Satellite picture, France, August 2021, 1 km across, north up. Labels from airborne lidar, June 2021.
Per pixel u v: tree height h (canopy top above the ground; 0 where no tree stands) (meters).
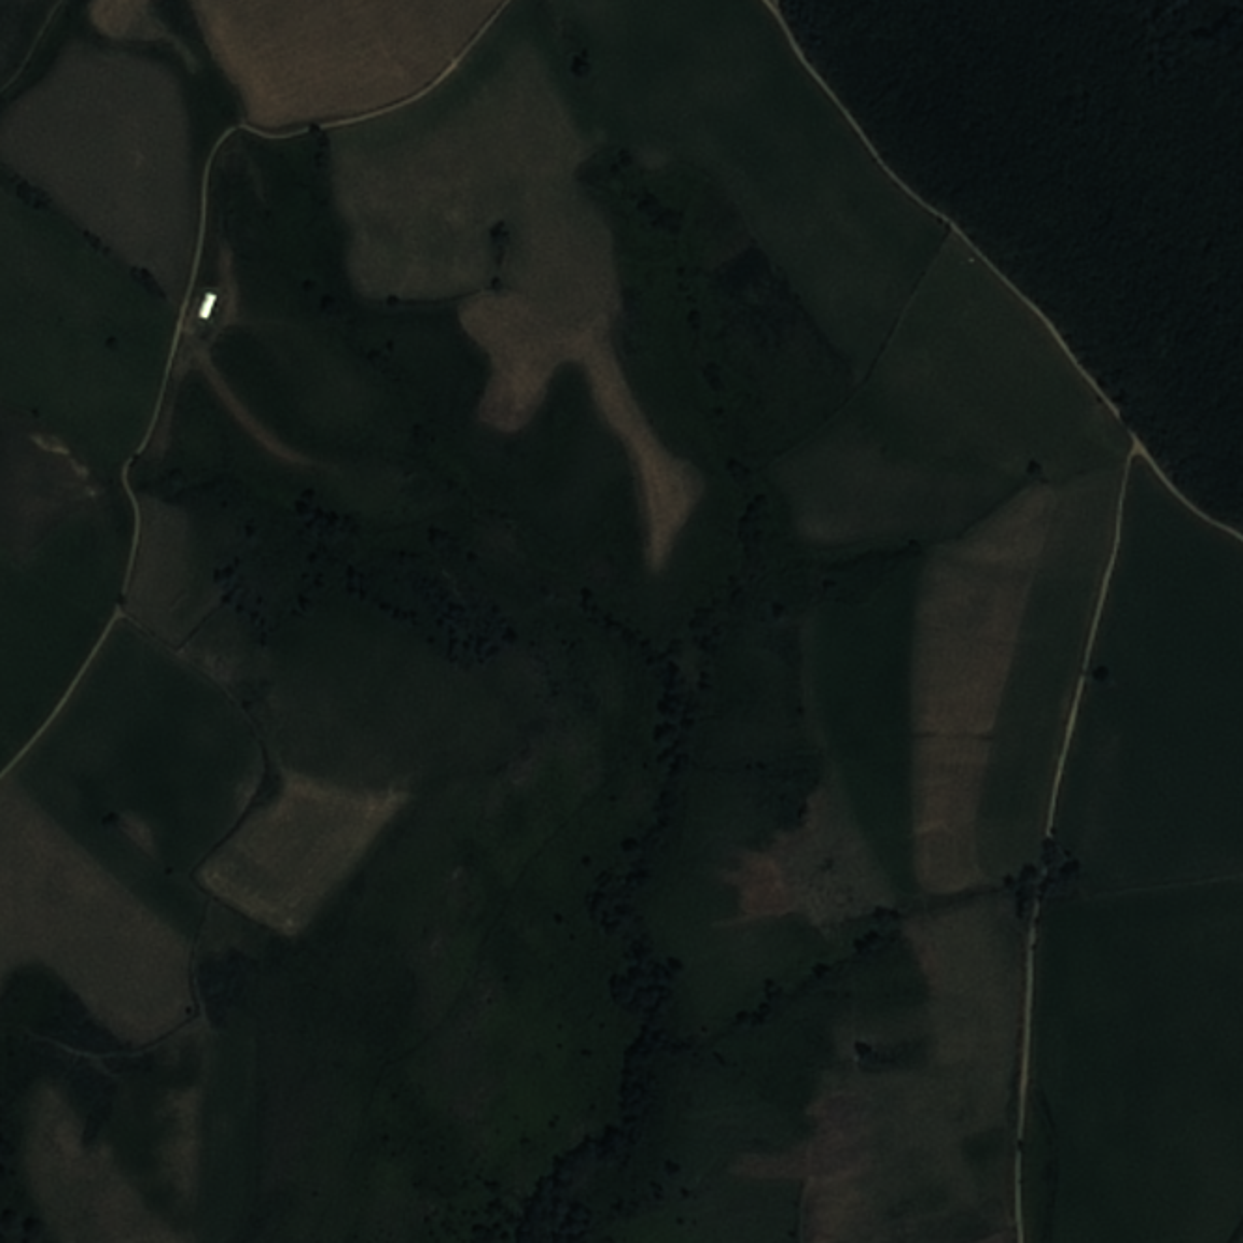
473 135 0
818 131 0
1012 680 0
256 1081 0
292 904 0
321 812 0
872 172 0
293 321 0
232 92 0
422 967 0
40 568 0
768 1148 0
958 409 0
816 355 0
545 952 0
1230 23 21
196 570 0
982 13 21
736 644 0
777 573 0
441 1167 6
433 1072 0
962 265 0
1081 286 21
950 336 0
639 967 7
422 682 0
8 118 0
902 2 22
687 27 0
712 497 0
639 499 0
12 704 0
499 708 0
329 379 0
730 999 0
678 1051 8
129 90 0
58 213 0
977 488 0
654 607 0
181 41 0
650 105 0
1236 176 21
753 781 0
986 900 0
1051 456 0
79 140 0
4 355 0
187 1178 0
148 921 0
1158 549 0
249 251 0
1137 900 0
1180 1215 0
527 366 0
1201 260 21
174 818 0
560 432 0
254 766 0
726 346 0
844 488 0
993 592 0
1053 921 0
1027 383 0
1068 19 25
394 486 0
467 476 0
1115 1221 0
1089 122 23
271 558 0
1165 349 22
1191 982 0
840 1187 0
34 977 0
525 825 0
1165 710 0
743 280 0
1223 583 0
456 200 0
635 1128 6
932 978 0
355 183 0
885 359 0
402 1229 0
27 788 0
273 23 0
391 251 0
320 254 0
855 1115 0
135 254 0
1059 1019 0
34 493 0
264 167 0
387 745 0
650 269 0
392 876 0
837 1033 0
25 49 0
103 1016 0
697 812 0
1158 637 0
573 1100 0
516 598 0
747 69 0
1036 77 24
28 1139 0
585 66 15
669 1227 0
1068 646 0
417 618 8
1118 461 0
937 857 0
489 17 0
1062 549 0
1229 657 0
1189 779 0
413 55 0
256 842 0
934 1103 0
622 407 0
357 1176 0
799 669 0
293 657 0
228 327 0
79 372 0
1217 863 0
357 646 0
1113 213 18
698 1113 0
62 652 0
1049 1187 0
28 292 0
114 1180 0
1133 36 24
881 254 0
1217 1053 0
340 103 0
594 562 0
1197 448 12
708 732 0
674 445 0
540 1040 0
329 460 0
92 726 0
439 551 6
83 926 0
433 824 0
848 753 0
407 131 0
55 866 0
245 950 0
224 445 0
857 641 0
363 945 0
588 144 0
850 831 0
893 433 0
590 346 0
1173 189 19
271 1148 0
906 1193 0
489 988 0
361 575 7
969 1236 0
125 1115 0
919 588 0
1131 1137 0
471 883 0
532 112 0
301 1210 0
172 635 0
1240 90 25
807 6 12
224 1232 0
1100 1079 0
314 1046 0
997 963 0
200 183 0
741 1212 0
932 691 0
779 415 0
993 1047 0
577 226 0
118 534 0
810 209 0
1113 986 0
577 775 0
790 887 0
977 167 16
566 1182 21
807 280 0
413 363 0
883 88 14
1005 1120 0
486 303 0
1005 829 0
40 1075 0
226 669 0
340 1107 0
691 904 0
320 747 0
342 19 0
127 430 0
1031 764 0
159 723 0
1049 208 20
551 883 0
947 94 17
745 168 0
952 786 0
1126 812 0
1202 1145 0
